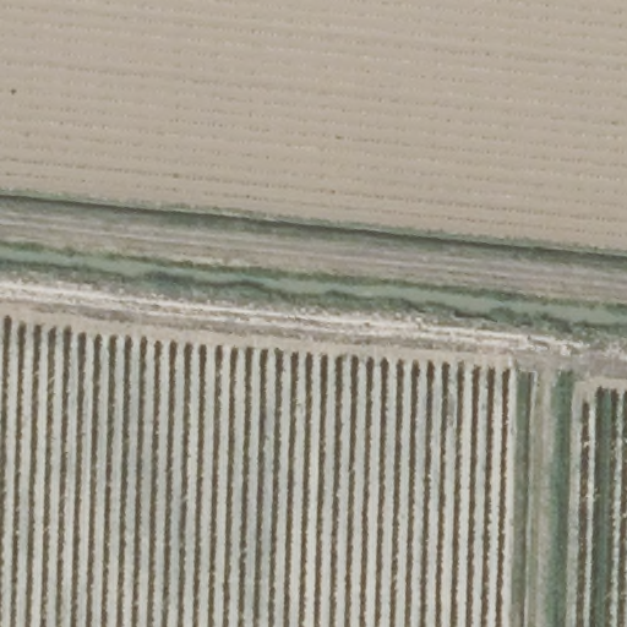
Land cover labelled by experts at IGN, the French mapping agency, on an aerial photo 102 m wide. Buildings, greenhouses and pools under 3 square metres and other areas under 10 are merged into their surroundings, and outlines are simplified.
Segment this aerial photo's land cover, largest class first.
<instances>
[{"label":"vineyard","instance_id":"1","mask_svg":"<svg viewBox=\"0 0 627 627\"><path fill-rule=\"evenodd\" d=\"M0 189L7 193L61 196L152 208H169L181 203L196 213H220L223 208H242L267 220L296 218L323 220L336 225L358 223L380 230L409 228L416 233L431 230L490 240H536L551 247L583 245L627 255V0H0ZM563 370H571L576 380L571 397L566 627H627V362L617 358H605V350H590V345L585 343L578 350L571 348L568 355H561L556 348H551V343L544 345L541 353H534L404 336L314 333L299 328H262L193 318L140 316L113 309H91L81 304H42L29 299H5L0 294V627H549L546 593L554 507L551 465L556 451V416L551 409V394Z\"/></svg>","mask_w":627,"mask_h":627},{"label":"pervious surface","instance_id":"2","mask_svg":"<svg viewBox=\"0 0 627 627\"><path fill-rule=\"evenodd\" d=\"M0 238L7 242H24L76 247L86 252L147 255L179 262L277 267L287 272H299L365 274L385 279L517 291L549 299L627 304V272L512 260L497 257L492 252L463 257L448 255L446 250L377 247L370 240L353 242L318 238H279L130 220L108 223L100 216L91 213H42L29 211L24 206L5 208L0 213ZM0 294L5 299H29L42 304H81L91 309H113L140 316L193 318L262 328H299L314 333L404 336L534 353H541L544 345L551 343V348H556L561 355H568L571 348L578 350L585 343L529 331L434 326L426 323L419 314H407L404 321H392L382 314H328L318 309H294L287 304H193L167 299L159 291L137 296L118 289L115 294H110L96 291L88 284H69L61 279H54L51 287L15 279H5L0 284Z\"/></svg>","mask_w":627,"mask_h":627},{"label":"herbaceous vegetation","instance_id":"3","mask_svg":"<svg viewBox=\"0 0 627 627\"><path fill-rule=\"evenodd\" d=\"M24 250V242H7L0 238V284L5 279H15L51 287L54 279H61L69 284H88L96 291L110 294H115L118 289L137 296L159 291L167 299L193 304H287L294 309H318L328 314H382L392 321H404L407 314H419L426 323L434 326L529 331L585 343L590 345V350H605V358H617L627 362V318H605V323H590L566 321L561 316H554L551 311L539 309L492 306L487 309L485 321H463L453 316L458 306L451 299H438L441 294L514 301L517 291L385 279L365 274L299 272L294 279L296 284L336 282L345 287H394L397 291H429L426 299L411 294L362 296L338 289L289 291L282 287L250 279H206L169 272L125 274L115 267L91 262H47L17 257ZM576 380L571 370H563L551 394V409L556 416V451L551 465L554 507L546 593L549 627H566L571 397Z\"/></svg>","mask_w":627,"mask_h":627},{"label":"deciduous trees","instance_id":"4","mask_svg":"<svg viewBox=\"0 0 627 627\"><path fill-rule=\"evenodd\" d=\"M24 206L29 211L42 213H91L100 216L108 223L130 220L279 238H318L353 242L370 240L377 247L446 250L448 255L463 257L492 252L497 257L512 260L627 272V255L583 245L551 247L536 240H490L431 230L416 233L409 228L380 230L358 223L336 225L323 220L296 218L267 220L242 208H223L220 213H196L181 203L169 208H152L61 196L7 193L0 189V213L5 208Z\"/></svg>","mask_w":627,"mask_h":627},{"label":"water","instance_id":"5","mask_svg":"<svg viewBox=\"0 0 627 627\"><path fill-rule=\"evenodd\" d=\"M17 257L47 262H91L115 267L125 274L169 272L206 279H250L282 287L289 291L338 289L362 296L411 294L426 299L429 291H397L394 287H345L336 282L296 284L294 279L299 272H287L277 267L179 262L147 255L86 252L76 247L24 242V250ZM438 299H451L458 306L453 316L463 321H485L487 309L492 306L539 309L551 311L554 316H561L566 321L590 323H605V318H627V304L549 299L517 291L514 301L441 294Z\"/></svg>","mask_w":627,"mask_h":627}]
</instances>
